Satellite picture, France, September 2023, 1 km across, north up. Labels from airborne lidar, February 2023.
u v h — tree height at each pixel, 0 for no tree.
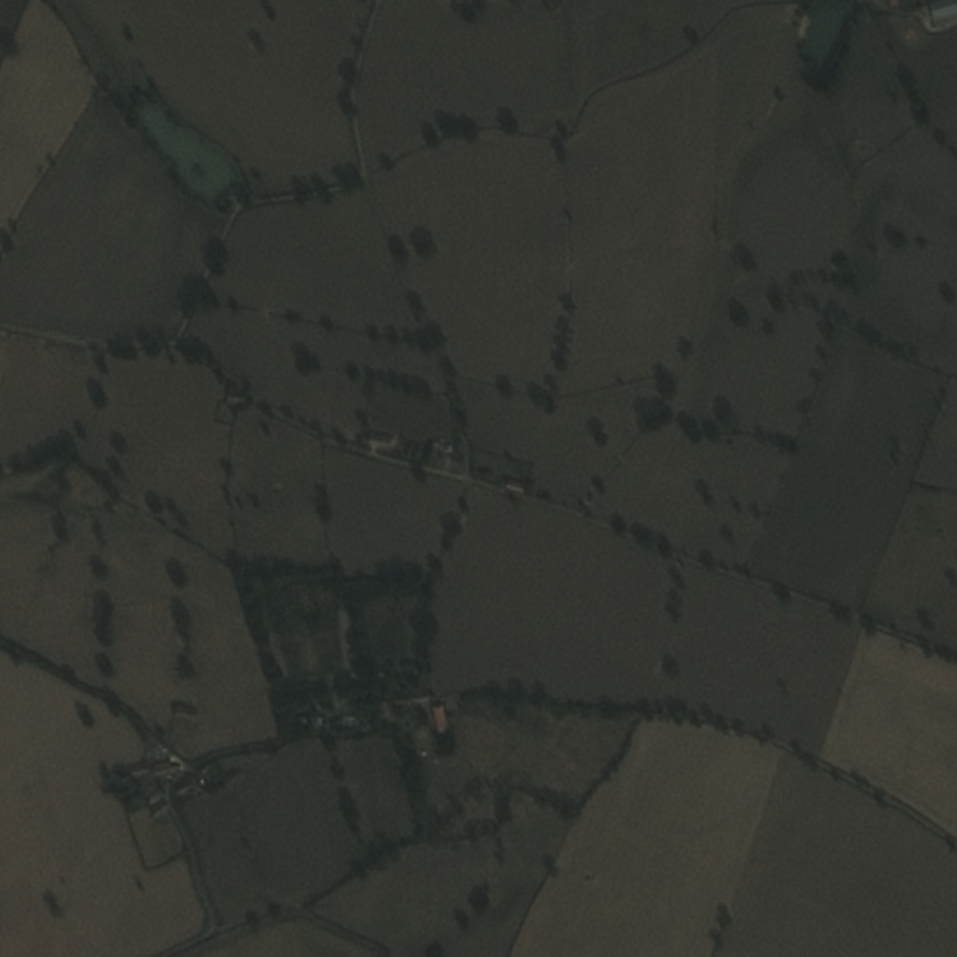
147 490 0
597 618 0
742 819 0
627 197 0
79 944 0
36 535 0
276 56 0
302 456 0
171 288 0
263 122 0
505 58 0
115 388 0
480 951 0
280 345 0
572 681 0
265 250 0
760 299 0
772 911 0
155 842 0
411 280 0
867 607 0
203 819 0
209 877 0
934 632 0
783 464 0
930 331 0
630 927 0
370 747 0
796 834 0
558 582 0
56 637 0
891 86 0
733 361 0
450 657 0
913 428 0
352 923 0
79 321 0
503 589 0
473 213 0
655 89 0
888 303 0
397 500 0
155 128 0
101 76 0
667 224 0
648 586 0
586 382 0
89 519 0
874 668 0
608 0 0
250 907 0
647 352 0
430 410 0
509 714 13
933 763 0
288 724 16
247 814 0
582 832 0
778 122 0
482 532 0
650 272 0
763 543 0
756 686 0
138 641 0
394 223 0
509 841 0
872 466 0
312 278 0
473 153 0
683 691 0
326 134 0
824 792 0
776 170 0
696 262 0
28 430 0
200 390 0
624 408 0
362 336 0
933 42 0
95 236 0
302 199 13
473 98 0
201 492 0
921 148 0
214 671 0
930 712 0
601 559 0
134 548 0
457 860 0
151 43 0
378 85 0
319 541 0
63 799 0
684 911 0
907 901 0
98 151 0
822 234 0
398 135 0
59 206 0
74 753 0
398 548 0
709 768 0
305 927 0
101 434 0
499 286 0
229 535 0
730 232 0
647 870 0
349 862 0
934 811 0
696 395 0
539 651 0
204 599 0
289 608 0
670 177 0
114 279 0
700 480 0
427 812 0
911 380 0
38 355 0
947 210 0
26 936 0
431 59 0
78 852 0
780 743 0
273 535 0
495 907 0
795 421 0
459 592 0
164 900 0
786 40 0
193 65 0
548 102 0
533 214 0
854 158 0
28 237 0
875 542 0
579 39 0
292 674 0
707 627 0
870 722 0
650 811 0
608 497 0
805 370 0
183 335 0
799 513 0
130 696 0
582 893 0
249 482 0
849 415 0
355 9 0
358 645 15
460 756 0
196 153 0
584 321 0
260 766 0
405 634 0
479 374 0
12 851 0
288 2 0
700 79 0
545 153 0
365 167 0
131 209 0
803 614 0
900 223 0
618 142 0
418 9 0
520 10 0
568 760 0
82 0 0
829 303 0
